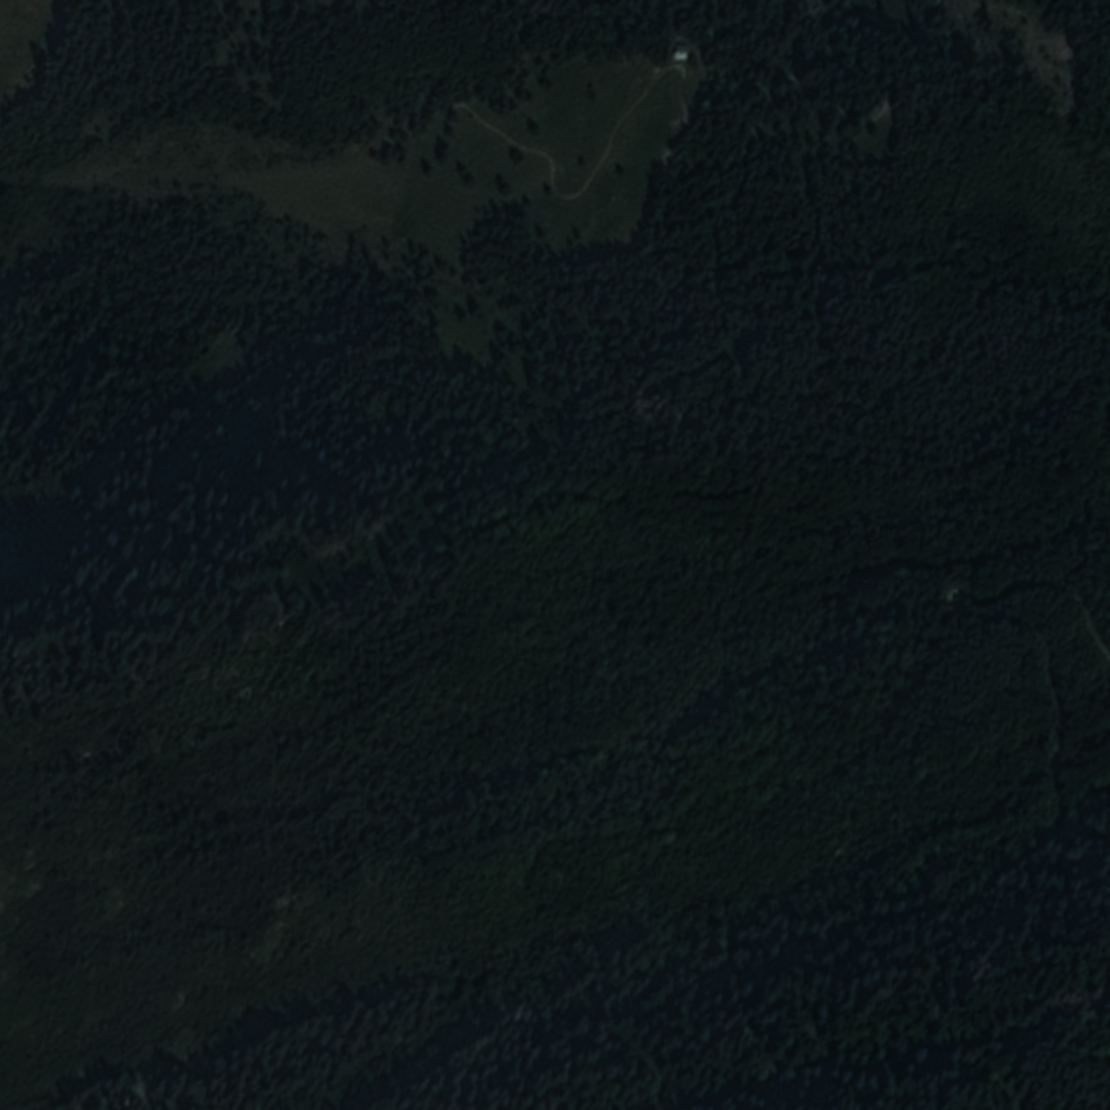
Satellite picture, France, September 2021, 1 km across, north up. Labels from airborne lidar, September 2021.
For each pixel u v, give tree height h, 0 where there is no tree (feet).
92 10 93
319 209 0
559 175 0
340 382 95
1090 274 61
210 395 32
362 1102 22
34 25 0
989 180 56
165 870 30
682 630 52
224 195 23
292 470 35
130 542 98
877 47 100
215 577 97
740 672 56
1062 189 56
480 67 64
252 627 94
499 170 0
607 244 0
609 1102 38
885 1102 95
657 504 46
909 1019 111
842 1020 75
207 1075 22
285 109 40
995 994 85
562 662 31
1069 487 72
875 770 30
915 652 63
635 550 32
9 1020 0
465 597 25
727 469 29
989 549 45
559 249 0
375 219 0
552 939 34
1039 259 62
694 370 74
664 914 31
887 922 36
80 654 78
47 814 23
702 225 65
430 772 47
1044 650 56
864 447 62
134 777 42
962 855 53
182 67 76
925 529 43
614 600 55
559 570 32
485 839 43
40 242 0
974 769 33
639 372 70
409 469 63
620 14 46
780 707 87
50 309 38
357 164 0
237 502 26
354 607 115
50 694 71
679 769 71
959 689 59
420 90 40
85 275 82
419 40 61
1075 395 65
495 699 25
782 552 28
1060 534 52
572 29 60
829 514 46
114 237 38
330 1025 19
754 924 41
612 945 27
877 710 34
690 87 0
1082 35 84
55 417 37
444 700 29
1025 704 68
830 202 65
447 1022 19
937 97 95
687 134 48
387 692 38
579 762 83
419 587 32
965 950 102
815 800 24
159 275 54
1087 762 67
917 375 96
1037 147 61
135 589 24
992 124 59
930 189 56
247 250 56
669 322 102
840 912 54
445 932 19
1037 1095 110
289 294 45
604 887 21
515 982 31
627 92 0
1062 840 49
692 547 42
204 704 33
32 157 33
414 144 0
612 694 49
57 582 96
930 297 94
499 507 59
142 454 95
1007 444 47
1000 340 93
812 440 102
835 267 32
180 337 38
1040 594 67
